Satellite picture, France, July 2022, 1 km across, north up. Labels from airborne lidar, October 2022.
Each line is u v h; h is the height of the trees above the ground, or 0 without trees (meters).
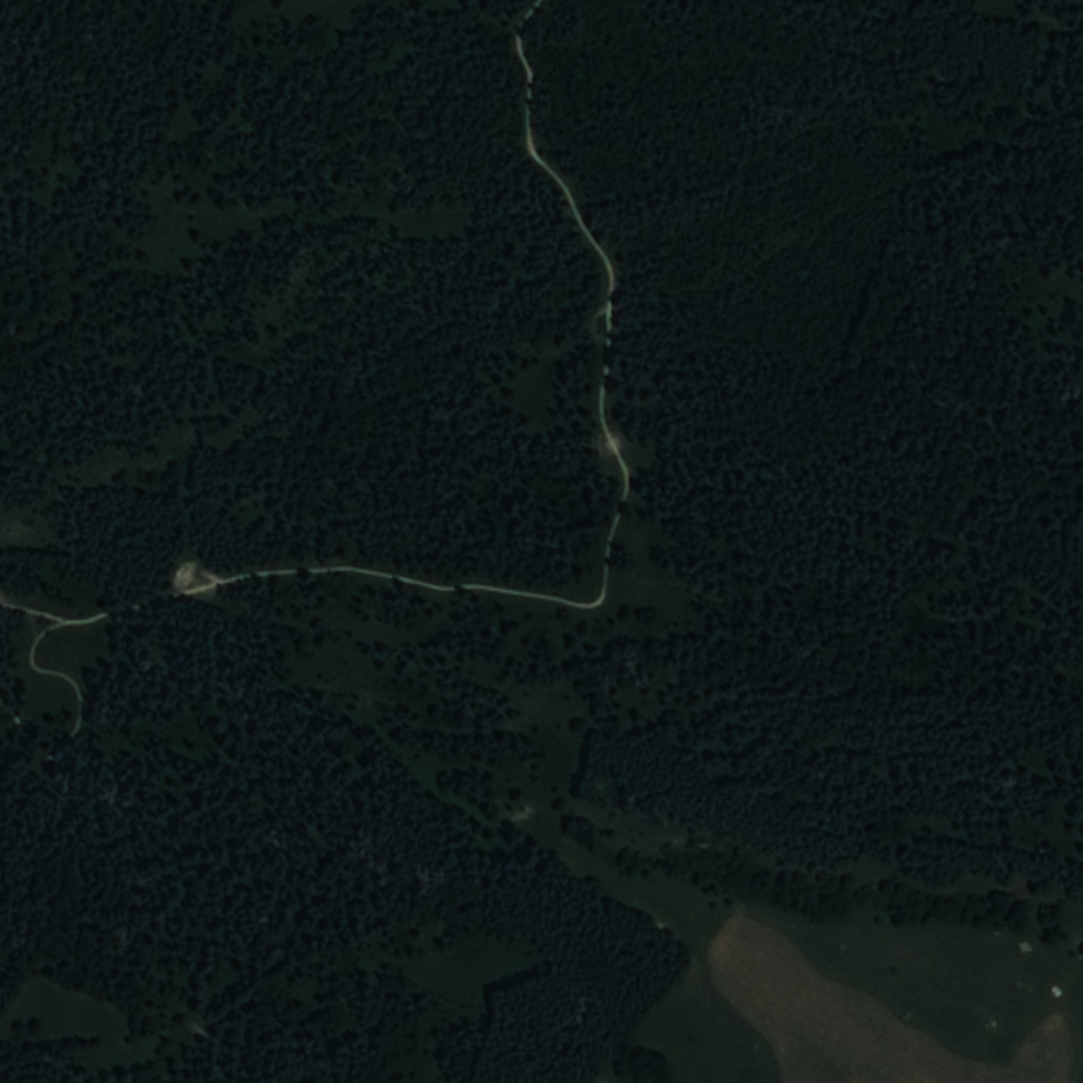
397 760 6
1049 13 15
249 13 0
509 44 10
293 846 28
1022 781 20
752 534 24
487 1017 6
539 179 19
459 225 0
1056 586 29
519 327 15
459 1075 18
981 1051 0
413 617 8
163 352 22
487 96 19
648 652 20
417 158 10
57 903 27
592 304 10
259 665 11
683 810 18
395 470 25
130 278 20
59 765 15
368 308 8
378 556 23
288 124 13
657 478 8
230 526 20
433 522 25
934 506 20
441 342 18
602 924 26
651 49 6
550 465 8
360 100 20
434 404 12
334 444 16
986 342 20
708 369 10
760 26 8
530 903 18
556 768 0
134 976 14
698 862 6
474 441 20
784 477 27
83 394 8
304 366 12
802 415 18
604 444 0
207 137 22
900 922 21
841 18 16
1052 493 16
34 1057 21
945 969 0
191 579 0
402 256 24
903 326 21
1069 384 23
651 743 18
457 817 31
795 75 10
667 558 15
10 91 21
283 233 9
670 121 6
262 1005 19
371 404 10
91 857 25
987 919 12
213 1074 28
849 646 18
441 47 19
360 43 6
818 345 7
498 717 19
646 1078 12
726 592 23
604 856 0
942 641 24
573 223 13
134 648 29
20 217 21
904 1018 0
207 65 24
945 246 11
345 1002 17
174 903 24
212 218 0
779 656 23
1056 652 25
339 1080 18
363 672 0
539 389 0
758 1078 0
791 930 0
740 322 6
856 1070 0
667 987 26
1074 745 25
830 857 18
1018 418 20
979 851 22
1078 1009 0
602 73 8
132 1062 0
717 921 0
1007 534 17
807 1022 0
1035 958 0
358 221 18
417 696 7
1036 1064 0
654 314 13
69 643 0
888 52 10
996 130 25
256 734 24
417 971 0
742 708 21
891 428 24
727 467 25
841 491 16
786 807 23
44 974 12
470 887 29
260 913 25
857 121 7
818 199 5
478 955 0
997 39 21
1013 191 22
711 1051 0
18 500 16
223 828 19
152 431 15
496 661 17
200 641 30
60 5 20
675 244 9
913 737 21
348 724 21
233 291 22
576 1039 28
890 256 24
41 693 0
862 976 0
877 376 22
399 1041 21
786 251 8
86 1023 0
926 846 24
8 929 23
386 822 25
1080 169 19
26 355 16
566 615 12
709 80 8
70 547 18
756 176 8
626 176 6
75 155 12
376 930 24
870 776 22
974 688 8
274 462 21
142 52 10
